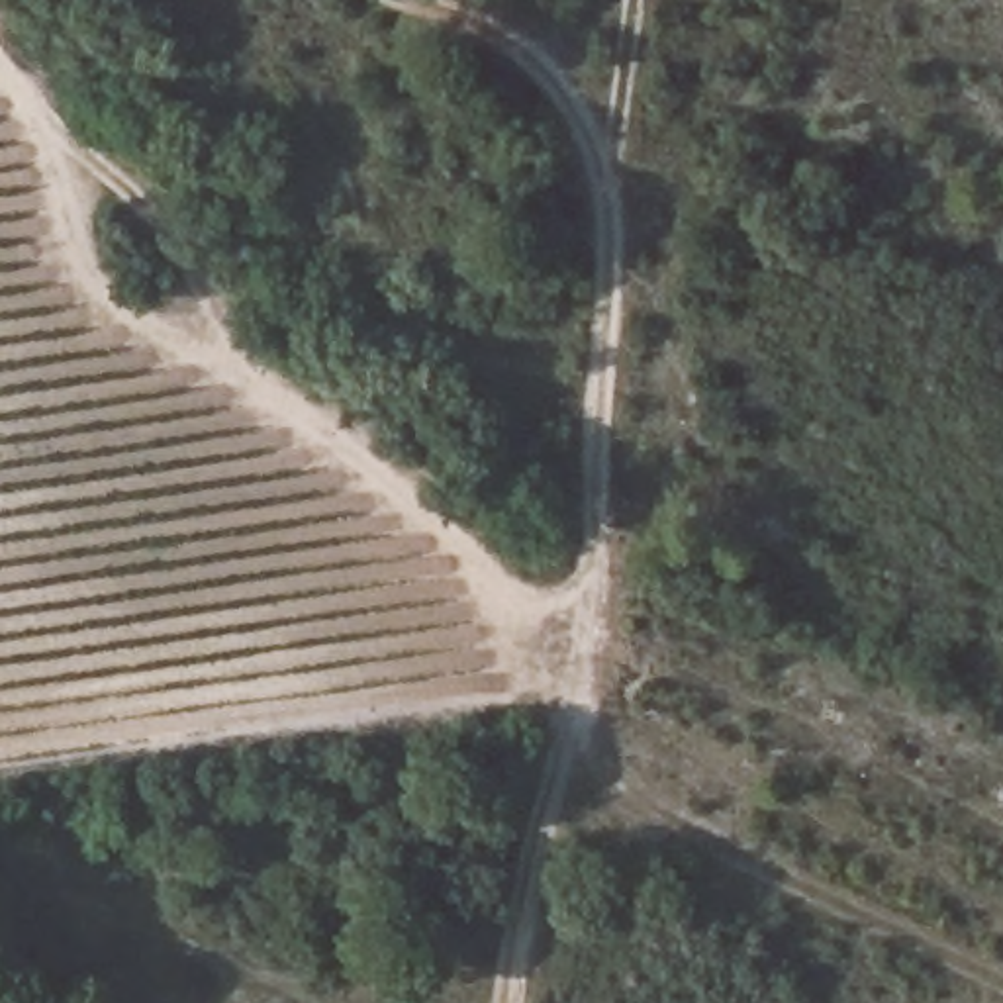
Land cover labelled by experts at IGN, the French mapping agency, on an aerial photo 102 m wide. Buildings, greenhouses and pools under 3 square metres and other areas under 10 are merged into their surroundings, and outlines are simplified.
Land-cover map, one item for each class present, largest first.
<instances>
[{"label":"deciduous trees","instance_id":"1","mask_svg":"<svg viewBox=\"0 0 1003 1003\"><path fill-rule=\"evenodd\" d=\"M482 8L498 20L474 35L458 31L451 20L431 24L400 16L392 27V67L376 63L360 74H341V102L353 110L368 145L364 161L337 176L329 200L321 204V215L302 227L290 223L274 204V188L282 184L286 165V141L278 133H263L247 118H235L219 141L215 133H204L196 121H184L180 106H168L161 94L149 90L153 74L176 78V63L172 43L165 35L145 31L133 0H0V43L20 71L43 82L55 114L78 145L106 153L125 172L145 180V196L118 200L110 192L98 200L90 219L94 251L118 306L157 313L168 310L176 298L223 294L227 329L239 353H247L263 368H274L310 404L333 407L341 427H364L372 454L407 470L427 509L474 533L517 580L549 588L564 584L576 572L580 556L596 541V533L584 525V458L564 447L568 439L545 431V419H556L568 404L584 400L588 376L596 368L592 353L599 345L596 306L599 298H607V290L596 282V215L584 161L572 141L568 118L505 55V35L517 27L541 39L560 67H580L588 43H603L615 67L635 63L643 59L646 43L639 31L646 27V0H486ZM674 470L670 454L666 447H654L639 454L631 443H619L615 435L611 525L643 529L650 521ZM541 744V729L517 705H490L431 721L404 717L368 729L231 737L219 744L121 752L82 764H47L20 776H0V846L8 823L24 815L31 823H47L59 831L71 827L86 862H98L110 878H153L161 921L176 929V936L188 948L231 956L235 964L247 960L255 968L306 976L310 991L298 1003H451L443 995L447 979L462 976L466 956L478 944H486L494 929L505 925V913H517V905L529 901L537 889L545 897L552 936L576 944L584 936V925H611L615 932H631L635 921L674 925L682 917L678 905L686 901V885L658 858L646 862V878L635 893L611 882V866H603L599 854L580 846L576 838H545L549 858L541 870L529 858H509L502 850L505 819L517 815V791L537 768L533 756ZM94 979H39L35 972L4 968L0 960V1003H94Z\"/></svg>","mask_w":1003,"mask_h":1003},{"label":"brushwood","instance_id":"2","mask_svg":"<svg viewBox=\"0 0 1003 1003\"><path fill-rule=\"evenodd\" d=\"M838 0H646V27L639 31L646 43L643 59L635 63L639 86L631 110V149L623 161L627 168L654 172L674 192L666 255L670 266L682 270V294L670 302L666 317L674 321V329H701V341L693 349V357L701 360V368L693 372V388L701 400L705 443L686 439V451L670 454L674 470L650 521L643 529L611 525H599L596 533V541L611 552L607 580L623 588L631 631L670 639V670L643 686L639 705L666 713L686 729L705 725V733L721 744L752 748L760 772L772 780L776 799L772 811L752 815L760 831L752 850H740L737 842L693 827L654 823L588 831L576 838L580 846L599 854L603 866H611V882L635 893L646 878V862L658 858L686 885V901L678 905L682 917L674 925L635 921L631 932H615L611 925H584V936L576 944L552 936L549 960L525 976L521 1003H956L952 972L940 964L936 952L921 948L913 936H874L858 929V921H838L807 909L803 901L784 893V870L772 866L764 854L776 842L788 854H799L803 870H823L827 882L870 897L874 905L897 917L932 925L944 917L948 932L983 921L1003 897V838L991 823L976 819L948 795L929 803L909 780L862 776L854 764L835 760V752L819 740L811 725L788 729L776 713L737 709L721 693L733 682H740L752 693L784 697L795 690L784 682L788 666L835 650L846 662L850 678L866 690L901 693L909 686L917 705L929 713H952L960 705H972L991 733H1003V145L983 133L976 114H932L913 141H905L897 129H874L866 141L807 137L803 114L811 86L827 67H835L831 55H819L811 47V31L819 20L838 16Z\"/></svg>","mask_w":1003,"mask_h":1003},{"label":"vineyard","instance_id":"3","mask_svg":"<svg viewBox=\"0 0 1003 1003\"><path fill-rule=\"evenodd\" d=\"M110 192L118 200L145 196V180L125 172L106 153L78 145L55 114L43 82L20 71L0 43V776H20L47 764H82L121 752L219 744L231 737L368 729L404 717L431 721L490 705H517L560 701L599 709L596 693V654H576L568 646L564 674H541L525 666V646L517 639L533 635L541 619L556 615L552 599L545 596L549 588L517 580L474 533L427 509L407 470L372 454L364 427H341L333 407L310 404L274 368H263L247 353H239L227 329L223 294L176 298L168 310L157 313L118 306L94 251L90 219L98 200Z\"/></svg>","mask_w":1003,"mask_h":1003},{"label":"herbaceous vegetation","instance_id":"4","mask_svg":"<svg viewBox=\"0 0 1003 1003\"><path fill-rule=\"evenodd\" d=\"M145 31L165 35L172 43L176 63V78L153 74L149 90L161 94L168 106H180L184 121H196L204 133H215L219 141L235 118H247L263 133H278L286 141V165L282 184L274 188V204L290 223L302 227L321 215V204L329 200L337 176L364 161L368 145L353 110L341 102V74H360L376 63L392 67V27L400 16L368 0H133ZM838 16L819 20L811 31V47L819 55H831L835 67H827L811 86L803 114L807 137L866 141L874 129H897L905 141H913L932 114H976L983 133L1003 145V0H838ZM639 86L635 63L615 67L603 43H588L580 67V94L619 114L615 157L623 161L631 149V110ZM627 235L623 266L631 270L619 286L623 333L619 345H599L592 353L596 368H615V415L607 423L615 435L619 443H631L639 454L654 447H666L670 454L686 451V439L705 443L701 400L693 388V372L701 368V360L693 357V349L701 341V329H674V321L666 317L670 302L682 294V270L670 266L666 255L674 192L654 172L627 168L619 180ZM670 670V639L631 631V650L623 654L619 674L596 693L599 709L560 701L517 705L541 729V744L533 756L537 768L517 791V815L505 819L502 850L509 858H529L541 870L549 858L545 838H576L588 831L654 823L693 827L737 842L740 850H752L760 831L752 815L772 811L776 799L772 780L760 772L752 748L721 744L705 733V725L686 729L666 713L639 705L643 686ZM784 682L795 690L784 697L752 693L740 682H733L721 693L737 709L776 713L788 729L811 725L819 740L835 752V760L854 764L862 776L909 780L929 803L948 795L976 819L991 823L1003 838V733H991L972 705H960L952 713H929L917 705L909 686L901 693L866 690L850 678L846 662L835 650L788 666ZM0 960L4 968L35 972L39 979H94V1003H298L310 991L306 976L255 968L247 960L235 964L231 956L188 948L176 936V929L161 921L153 878H110L98 862H86L71 827L59 831L47 823H31L24 815L8 823L0 846ZM772 866L784 870V893L803 901L807 909L838 921H858V929L874 936H913L921 948L936 952L940 964L952 972L956 1003H1003V897L983 921L948 932L944 917L932 925L897 917L874 905L870 897L827 882L823 870H803L799 854H788L776 842L764 854ZM552 936L545 897L537 889L529 901L517 905V913H505V925L494 929L486 944H478L466 956L462 976L447 979L443 995L451 1003H521L525 976L549 960Z\"/></svg>","mask_w":1003,"mask_h":1003},{"label":"pervious surface","instance_id":"5","mask_svg":"<svg viewBox=\"0 0 1003 1003\"><path fill-rule=\"evenodd\" d=\"M400 16L431 24L451 20L458 31L474 35L498 20L482 8L486 0H368ZM505 55L568 118L572 141L584 161L596 215V282L607 290V298H599L596 306L599 345H619L623 333L619 286L631 270L623 266L627 235L619 180L627 168L623 161L615 157L619 114L580 94V67H560L541 39L517 27L505 35ZM615 415V368H596L588 376L584 400L568 404L556 419H545V431L568 439L564 447L584 458V525L596 533L599 525H611L615 435L607 423ZM611 552L596 541L580 556L576 572L564 584L549 588L545 596L552 599L556 615L541 619L533 635L517 639L525 646V666L541 674H564L568 646L576 654H596V693L619 674L623 654L631 650V631L623 588L607 580Z\"/></svg>","mask_w":1003,"mask_h":1003}]
</instances>
